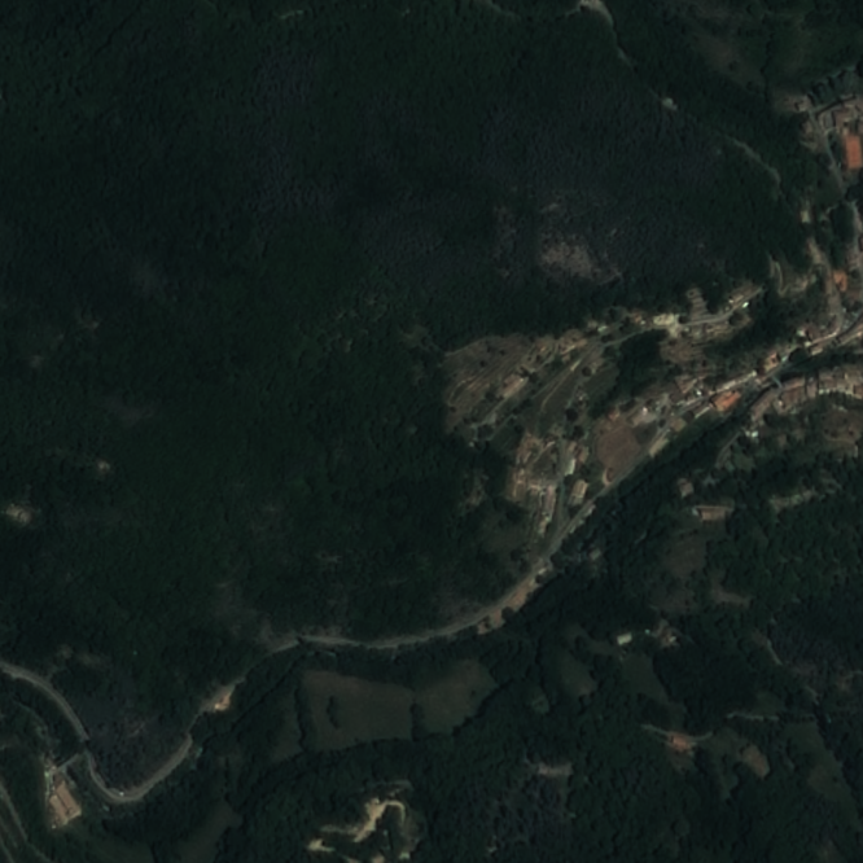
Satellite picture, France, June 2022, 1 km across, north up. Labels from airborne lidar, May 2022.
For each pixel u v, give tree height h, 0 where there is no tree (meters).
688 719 9
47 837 23
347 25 7
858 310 7
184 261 13
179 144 13
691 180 16
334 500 10
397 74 14
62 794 0
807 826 17
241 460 12
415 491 16
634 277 15
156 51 12
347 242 12
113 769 11
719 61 0
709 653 22
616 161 21
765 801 13
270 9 13
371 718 0
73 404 14
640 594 12
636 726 9
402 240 18
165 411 8
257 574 18
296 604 15
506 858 16
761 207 15
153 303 8
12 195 13
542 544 0
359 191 21
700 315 0
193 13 16
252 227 16
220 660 13
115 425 10
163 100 9
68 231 10
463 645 15
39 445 18
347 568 8
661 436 0
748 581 12
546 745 14
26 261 7
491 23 18
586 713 15
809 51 0
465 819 19
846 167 8
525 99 17
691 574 0
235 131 21
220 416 16
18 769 9
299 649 17
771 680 13
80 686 9
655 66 17
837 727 25
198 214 10
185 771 15
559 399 0
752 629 13
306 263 13
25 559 16
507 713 20
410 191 18
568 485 9
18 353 7
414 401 11
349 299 16
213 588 11
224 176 21
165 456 8
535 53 17
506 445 0
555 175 21
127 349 13
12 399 14
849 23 12
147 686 13
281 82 18
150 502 8
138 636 11
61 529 14
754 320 6
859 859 19
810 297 10
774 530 14
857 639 18
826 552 12
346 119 18
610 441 0
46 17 8
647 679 0
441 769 26
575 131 25
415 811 16
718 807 21
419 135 25
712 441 16
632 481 7
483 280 17
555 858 15
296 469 21
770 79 9
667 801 16
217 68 19
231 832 17
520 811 0
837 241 7
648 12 14
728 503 0
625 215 12
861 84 21
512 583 12
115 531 7
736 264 10
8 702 16
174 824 31
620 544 9
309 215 17
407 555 15
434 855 21
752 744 9
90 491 7
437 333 18
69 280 10
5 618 10
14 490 21
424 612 9
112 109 9
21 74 18
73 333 13
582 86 13
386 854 15
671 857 15
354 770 21
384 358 15
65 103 16
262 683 21
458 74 15
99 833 6
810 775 15
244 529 8
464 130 17
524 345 7
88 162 16
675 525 8
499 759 11
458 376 0
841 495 8
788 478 22
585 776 7
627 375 17
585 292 18
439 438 17
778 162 12
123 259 5
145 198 17
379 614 13
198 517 13
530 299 14
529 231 14
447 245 18
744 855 12
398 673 27
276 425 16
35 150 15
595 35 12
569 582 18
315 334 16
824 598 17
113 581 15
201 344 11
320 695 0
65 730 14
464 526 13
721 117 16
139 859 0
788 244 14
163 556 17
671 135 20
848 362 12
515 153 12
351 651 15
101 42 17
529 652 11
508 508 20
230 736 12
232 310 11
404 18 8
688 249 15
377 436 13
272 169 23
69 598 13
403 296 13
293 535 9
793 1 8
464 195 16
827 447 0
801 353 14
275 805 19
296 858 10
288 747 0
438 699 0
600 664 17
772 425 17
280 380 15
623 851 16
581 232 9
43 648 19
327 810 14
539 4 19
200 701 10
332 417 16
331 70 14
